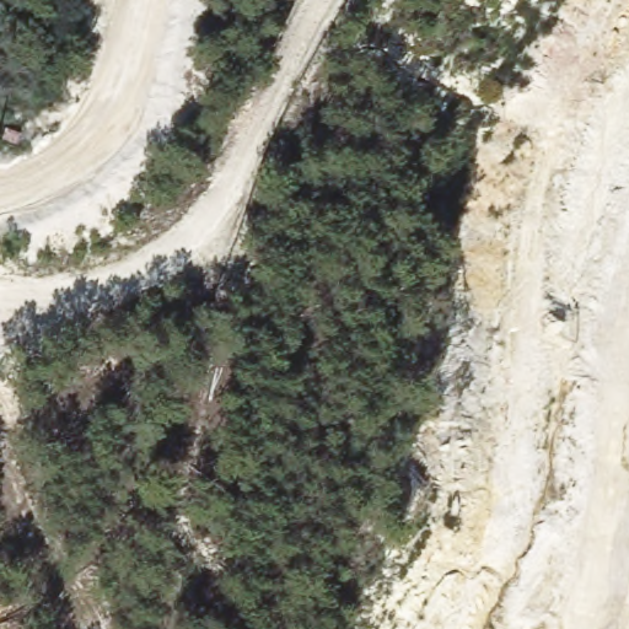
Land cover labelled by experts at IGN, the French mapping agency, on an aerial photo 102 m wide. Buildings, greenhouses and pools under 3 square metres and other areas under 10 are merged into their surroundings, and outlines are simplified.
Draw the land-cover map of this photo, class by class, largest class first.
<instances>
[{"label":"coniferous trees","instance_id":"1","mask_svg":"<svg viewBox=\"0 0 629 629\"><path fill-rule=\"evenodd\" d=\"M292 12V0H204V12L197 17L194 42L187 49V54L194 61V66L206 74V88L199 96L184 101V106L172 115L170 128H155L147 133L145 170L133 179L130 197L125 201H118L113 224L125 233V229L135 226L143 209H182L184 214L209 187L214 162L224 155L221 147L229 133V123L251 98L253 88L265 91L273 84V74L280 66L278 44ZM472 5H477V0H344L337 17L322 34V39L327 42L322 71L329 76L324 98H317L310 108H302L297 123L292 125L278 120V125L263 145L260 165L253 174V187L246 206L248 233L243 241V256L233 258V263H189L170 280H155V285L147 290H140V280L135 275L111 278L108 283L86 280H76L74 287L54 292V302L47 312H37L34 302H25L20 310H15V315L5 322V342L10 349L17 351V361L29 369L32 386L44 400V408L29 413L32 425L25 428L29 432V440L37 445H64V452L49 457L47 482L49 506L57 523L64 531H69L76 543H88L96 536H103L93 568L98 570L101 587L111 600L113 629H354V617L356 612H361V590L369 587L373 577L383 570L386 548L403 545L413 531L428 526L430 506L437 501V482L428 474L423 462L413 457V442L418 437L420 423L437 420L445 403V378L440 371V361L450 344V319H455L457 315L455 280L457 270L464 265L459 221L472 197V179L477 172V128L484 118V111H479L467 96H459L455 88L435 79L410 74L400 61L405 54V39L396 32L400 27H408L415 34L413 54L423 57L435 49V59L440 61L447 54H452L459 44L474 39L477 27ZM214 369H224L229 373V381H221L214 396V400L219 403V413L226 420L216 447L214 440L204 432L197 472L201 479L199 494L204 499V509L209 518L216 523V538L211 541V545L229 550L231 558L221 570L211 572L194 563L197 548L192 543H184L179 536L177 511L182 509V496L177 472L179 462L187 459L194 435V430L182 423L189 418L192 410H197L199 393L209 383ZM39 504L32 499L29 491H25L12 442L0 440V629H79L71 612L69 590L64 587L57 563L49 560V545L44 543L42 531L34 526L32 518Z\"/></svg>","mask_w":629,"mask_h":629},{"label":"pervious surface","instance_id":"2","mask_svg":"<svg viewBox=\"0 0 629 629\"><path fill-rule=\"evenodd\" d=\"M98 5V20L93 29L101 44L93 59L91 76L86 81H69L66 103L54 111H42L37 115V125L59 123V130L37 138L29 152L0 157V238L7 231V219H15L17 229L29 233L27 251H20L10 260L0 256V440L12 442L25 491H29L32 499L39 504L32 518L34 526L42 531L44 543L49 545V560L57 563L64 587L69 590L71 612L79 629H113L111 600L101 587L98 570L93 568L103 536H96L88 543H76L69 531H64L57 523L49 506L47 482L49 457L64 452V445H37L29 440V432L25 428L32 425L29 413L44 408V400L32 386L29 369L17 361V351L10 349L5 342V322L15 315V310H20L25 302H34L37 312H47L54 302V292L74 287L76 280L69 273L37 278V253L42 248L74 251L76 226H91L101 236H106L111 233L113 224L118 201H125L130 197L133 179L145 170L147 133L155 128H170L172 115L184 106V101L199 96L206 88V74L194 66V61L187 54V49L194 42L197 17L204 12V0H93ZM344 0H292V12L278 44L280 66L273 74V84L265 91L253 88L251 98L229 123V133L221 147L224 155L214 162L209 187L184 214V219L167 233H162L157 241L147 243L138 253H130L120 263L88 270L86 280L108 283L111 278L135 275L140 280V290H147L155 285V280H170L189 263H233V258L243 256V241L248 233L246 206L253 187V174L260 165L263 145L278 125V120L292 125L297 123L302 108H310L317 98H324L329 76L322 71L327 42L322 39V34L337 17ZM405 39V54L400 61L410 74L435 79L455 88L459 96H467L479 111H484V118L477 128V172L472 179V197L459 221L464 265L457 270L455 280L457 315L455 319H450V344L440 361V371L445 378V403L437 420L420 423L418 437L413 442V457L423 462L428 474L437 482V501L430 506L428 526L413 531L403 545L386 548L383 570L373 577L369 587L361 590V612H356L354 617V629H629V0H565L553 32L538 37L528 47L533 69L516 66V74L528 76V86L504 88V96L494 103L484 101L477 88L486 74L496 71L504 64V57L467 71V52L474 49V39L459 44L452 54H447L440 61L435 59V49L423 57L413 54L415 34L408 27H400L396 32ZM221 381H229V373L224 369H214L209 383L199 393L197 410H192L189 418L182 423L194 430V435L187 459L179 462L177 472L182 496V509L177 511L179 536L184 543H192L197 548L194 563L211 572L221 570L231 558L229 550L211 545V541L216 538V523L209 518L204 509V499L199 494L201 479L197 472L204 432L214 440L216 447L226 420L219 413V403L214 400V396Z\"/></svg>","mask_w":629,"mask_h":629},{"label":"brushwood","instance_id":"3","mask_svg":"<svg viewBox=\"0 0 629 629\"><path fill-rule=\"evenodd\" d=\"M98 20V5L93 0H0V150L5 147V130L17 133L25 128L15 120V111H32L37 115L42 111H54L66 103L69 81H86L91 76L93 59L101 44L93 29ZM565 0H477V5H472L477 27L474 39V49L467 52V71L504 57V64L496 71L486 74L477 88L484 101L494 103L504 96V88L528 86V76L516 74V66L533 69L528 47L538 37L553 32ZM184 219V214L182 209H143L135 226L125 229V233L113 224L111 233L106 236H101L91 226H76L74 251L42 248L37 253V278L69 273L76 280H86L88 270L120 263L130 253H138L147 243L157 241L162 233H167ZM29 233L17 229L15 219H7V231L0 238V256L10 260L20 251H27Z\"/></svg>","mask_w":629,"mask_h":629},{"label":"herbaceous vegetation","instance_id":"4","mask_svg":"<svg viewBox=\"0 0 629 629\"><path fill-rule=\"evenodd\" d=\"M37 115L32 111H15V120L25 128L17 133L5 130V147L0 150V157L29 152L37 138L59 130V123L37 125Z\"/></svg>","mask_w":629,"mask_h":629}]
</instances>
